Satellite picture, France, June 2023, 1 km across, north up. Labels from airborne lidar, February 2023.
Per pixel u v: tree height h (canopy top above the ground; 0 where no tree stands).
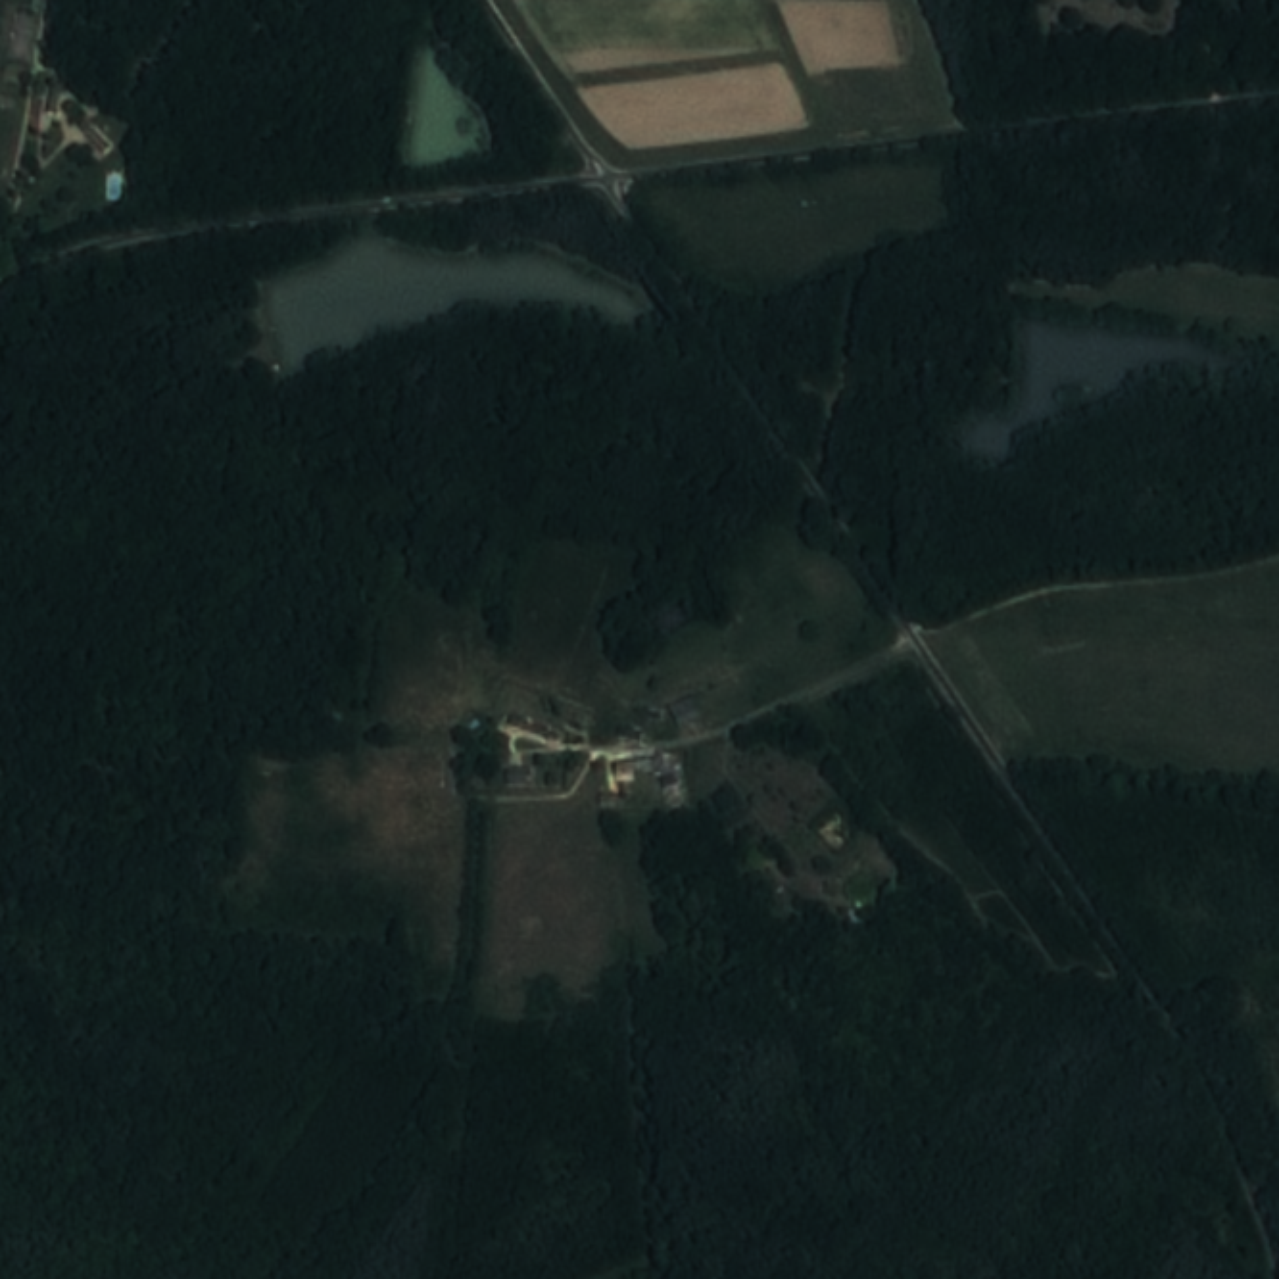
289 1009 17
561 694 0
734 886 15
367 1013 19
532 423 20
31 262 9
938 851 0
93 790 14
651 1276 9
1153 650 0
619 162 0
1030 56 23
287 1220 8
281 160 24
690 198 0
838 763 12
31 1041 21
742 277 0
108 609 19
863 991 21
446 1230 13
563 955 0
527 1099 10
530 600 0
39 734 20
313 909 0
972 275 26
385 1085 12
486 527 17
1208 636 0
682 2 0
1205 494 18
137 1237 14
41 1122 13
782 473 18
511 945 0
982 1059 20
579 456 16
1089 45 24
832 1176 28
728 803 16
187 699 18
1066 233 25
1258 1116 20
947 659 0
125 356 24
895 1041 20
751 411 16
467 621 0
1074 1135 18
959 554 24
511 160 22
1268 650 0
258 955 22
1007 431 0
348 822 0
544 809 0
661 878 10
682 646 0
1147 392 20
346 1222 19
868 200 0
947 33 23
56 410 12
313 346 0
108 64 22
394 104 19
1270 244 19
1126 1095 21
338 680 10
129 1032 17
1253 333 0
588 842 0
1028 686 0
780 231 0
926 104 0
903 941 21
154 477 21
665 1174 27
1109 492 20
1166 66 25
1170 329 16
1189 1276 30
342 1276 20
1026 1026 14
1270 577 0
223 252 27
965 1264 19
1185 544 19
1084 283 24
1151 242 23
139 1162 26
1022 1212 14
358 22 25
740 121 0
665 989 18
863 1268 24
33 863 17
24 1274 13
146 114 22
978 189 20
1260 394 17
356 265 0
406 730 0
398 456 14
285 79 24
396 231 18
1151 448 18
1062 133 16
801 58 0
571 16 0
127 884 20
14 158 0
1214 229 24
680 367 19
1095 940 8
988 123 16
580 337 17
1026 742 0
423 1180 20
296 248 21
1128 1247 19
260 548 16
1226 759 0
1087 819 9
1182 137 22
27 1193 20
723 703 0
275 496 14
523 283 0
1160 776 13
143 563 18
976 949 21
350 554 8
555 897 0
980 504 25
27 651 19
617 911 0
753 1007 20
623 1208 8
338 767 0
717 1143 28
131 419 14
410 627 0
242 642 17
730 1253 25
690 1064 27
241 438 20
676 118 0
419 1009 18
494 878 0
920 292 25
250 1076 11
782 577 0
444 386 21
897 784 7
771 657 0
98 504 19
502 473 21
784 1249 26
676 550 18
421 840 0
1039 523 24
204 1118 10
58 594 19
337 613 25
